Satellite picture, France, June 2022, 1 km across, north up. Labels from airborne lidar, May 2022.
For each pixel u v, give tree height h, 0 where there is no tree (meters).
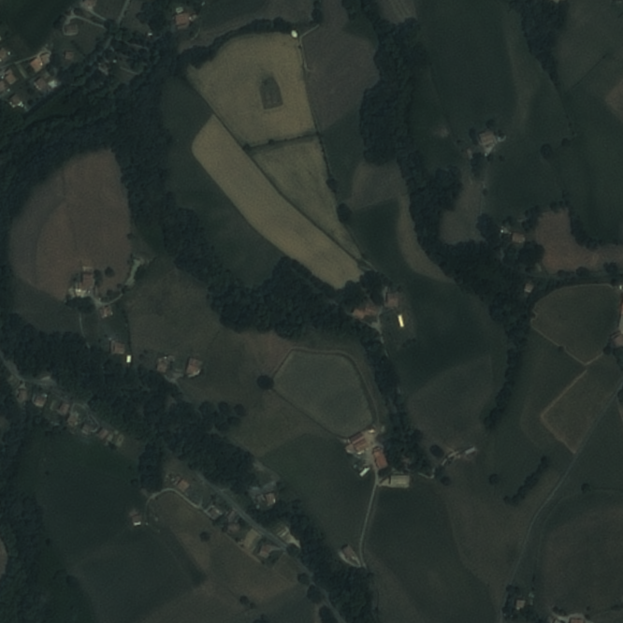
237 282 14
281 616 0
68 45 0
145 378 12
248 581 0
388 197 0
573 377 0
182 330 0
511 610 9
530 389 0
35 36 0
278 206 0
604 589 0
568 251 0
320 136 8
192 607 0
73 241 0
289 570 0
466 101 0
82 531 0
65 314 0
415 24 26
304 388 0
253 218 0
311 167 0
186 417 19
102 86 7
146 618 0
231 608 0
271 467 0
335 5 0
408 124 16
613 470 0
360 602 27
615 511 0
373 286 18
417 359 0
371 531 0
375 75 0
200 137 0
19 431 20
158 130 19
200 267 26
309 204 0
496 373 0
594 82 0
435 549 0
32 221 0
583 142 0
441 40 0
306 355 0
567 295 0
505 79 0
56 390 0
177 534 0
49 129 18
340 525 0
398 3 0
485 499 0
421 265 0
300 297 22
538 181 0
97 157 0
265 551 0
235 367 0
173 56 13
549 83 0
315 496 0
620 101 0
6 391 17
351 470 0
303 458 0
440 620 0
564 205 10
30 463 0
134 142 29
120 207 0
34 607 20
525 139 0
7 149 17
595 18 0
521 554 0
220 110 0
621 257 0
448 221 0
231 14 0
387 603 0
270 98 0
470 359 0
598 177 0
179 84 0
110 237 0
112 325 0
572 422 0
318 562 19
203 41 0
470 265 11
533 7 26
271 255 0
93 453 0
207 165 0
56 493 0
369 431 0
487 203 0
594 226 0
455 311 0
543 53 27
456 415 0
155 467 28
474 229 0
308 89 0
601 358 0
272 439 0
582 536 0
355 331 22
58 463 0
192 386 0
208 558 0
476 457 0
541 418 0
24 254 0
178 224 16
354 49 0
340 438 0
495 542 0
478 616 0
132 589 0
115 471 0
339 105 0
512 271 7
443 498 0
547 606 0
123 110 20
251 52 0
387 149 28
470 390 0
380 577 0
